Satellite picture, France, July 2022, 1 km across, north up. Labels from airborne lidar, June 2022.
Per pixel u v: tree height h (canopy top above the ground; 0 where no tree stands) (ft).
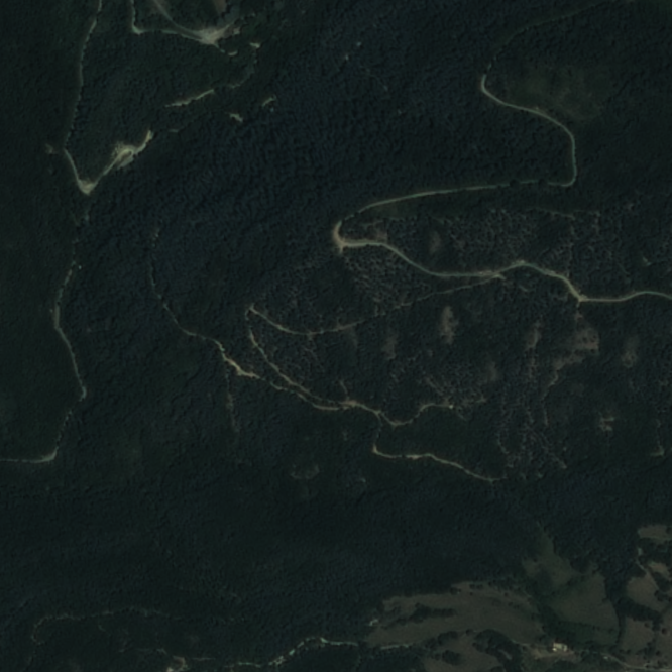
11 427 37
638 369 25
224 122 67
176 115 61
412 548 49
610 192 39
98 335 34
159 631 37
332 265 41
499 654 25
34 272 32
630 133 23
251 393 48
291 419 55
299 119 77
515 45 27
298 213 43
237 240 22
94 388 60
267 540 31
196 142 70
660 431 32
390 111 72
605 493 32
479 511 29
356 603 22
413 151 56
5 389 44
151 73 54
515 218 54
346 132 73
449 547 47
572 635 36
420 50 49
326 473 32
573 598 0
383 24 55
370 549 35
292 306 55
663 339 32
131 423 51
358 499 32
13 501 38
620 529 23
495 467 33
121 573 32
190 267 57
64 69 42
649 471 48
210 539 23
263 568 30
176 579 34
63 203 36
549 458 40
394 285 52
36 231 43
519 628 0
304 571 30
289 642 19
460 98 65
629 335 25
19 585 36
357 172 42
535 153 63
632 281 66
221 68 43
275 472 41
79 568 31
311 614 36
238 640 32
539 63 25
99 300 39
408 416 36
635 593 0
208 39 0
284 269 52
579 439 35
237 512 33
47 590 36
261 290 54
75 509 44
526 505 37
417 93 56
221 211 69
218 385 59
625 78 23
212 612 37
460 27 60
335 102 73
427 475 27
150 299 63
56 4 35
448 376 49
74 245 41
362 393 37
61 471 35
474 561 28
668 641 0
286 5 39
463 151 53
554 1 79
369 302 53
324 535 41
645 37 34
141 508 42
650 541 28
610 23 48
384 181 64
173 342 41
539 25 22
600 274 49
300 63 66
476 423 22
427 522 36
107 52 41
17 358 40
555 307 35
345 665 32
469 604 0
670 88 28
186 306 27
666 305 20
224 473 40
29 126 51
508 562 44
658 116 33
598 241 56
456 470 30
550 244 39
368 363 52
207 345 18
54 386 47
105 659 31
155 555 38
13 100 54
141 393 41
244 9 47
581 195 23
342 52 54
